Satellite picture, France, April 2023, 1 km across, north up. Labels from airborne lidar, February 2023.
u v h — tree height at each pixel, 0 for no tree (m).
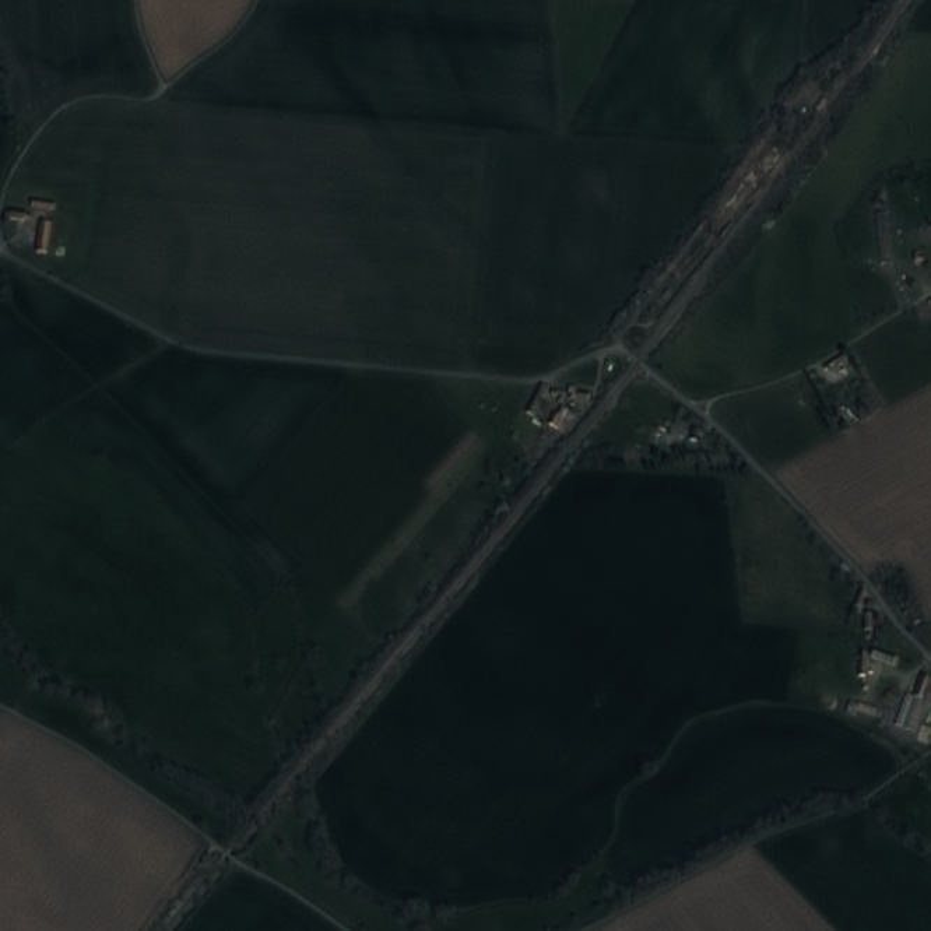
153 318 0
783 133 15
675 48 0
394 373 0
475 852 0
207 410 0
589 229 0
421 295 0
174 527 0
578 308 0
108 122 0
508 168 0
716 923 0
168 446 0
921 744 0
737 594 0
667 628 0
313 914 0
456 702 0
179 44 0
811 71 13
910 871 0
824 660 0
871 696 0
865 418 9
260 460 0
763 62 0
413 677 0
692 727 0
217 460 0
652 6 0
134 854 0
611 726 0
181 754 0
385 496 0
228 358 0
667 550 0
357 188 0
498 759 0
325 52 0
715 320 0
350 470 0
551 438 6
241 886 0
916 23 0
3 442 0
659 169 0
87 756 0
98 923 0
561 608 0
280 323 0
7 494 0
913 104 0
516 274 0
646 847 0
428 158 0
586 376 0
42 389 0
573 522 0
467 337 0
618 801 0
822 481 0
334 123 0
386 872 0
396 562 0
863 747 0
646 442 0
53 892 0
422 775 0
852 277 0
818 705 0
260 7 0
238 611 0
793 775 0
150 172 0
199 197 0
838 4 0
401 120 0
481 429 0
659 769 14
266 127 0
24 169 0
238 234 0
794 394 0
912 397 0
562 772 0
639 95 0
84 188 0
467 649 0
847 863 0
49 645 0
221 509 0
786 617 0
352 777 0
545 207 0
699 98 0
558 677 0
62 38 0
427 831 0
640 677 0
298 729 0
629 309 12
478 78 0
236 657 0
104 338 0
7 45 0
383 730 0
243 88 0
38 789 0
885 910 0
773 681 0
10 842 0
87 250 0
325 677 0
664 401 0
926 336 0
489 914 0
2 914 0
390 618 0
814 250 0
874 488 0
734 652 0
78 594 0
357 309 0
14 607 0
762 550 0
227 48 0
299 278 0
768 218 13
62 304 0
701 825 0
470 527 0
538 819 0
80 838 0
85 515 0
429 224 0
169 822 0
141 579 0
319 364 0
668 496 0
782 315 0
